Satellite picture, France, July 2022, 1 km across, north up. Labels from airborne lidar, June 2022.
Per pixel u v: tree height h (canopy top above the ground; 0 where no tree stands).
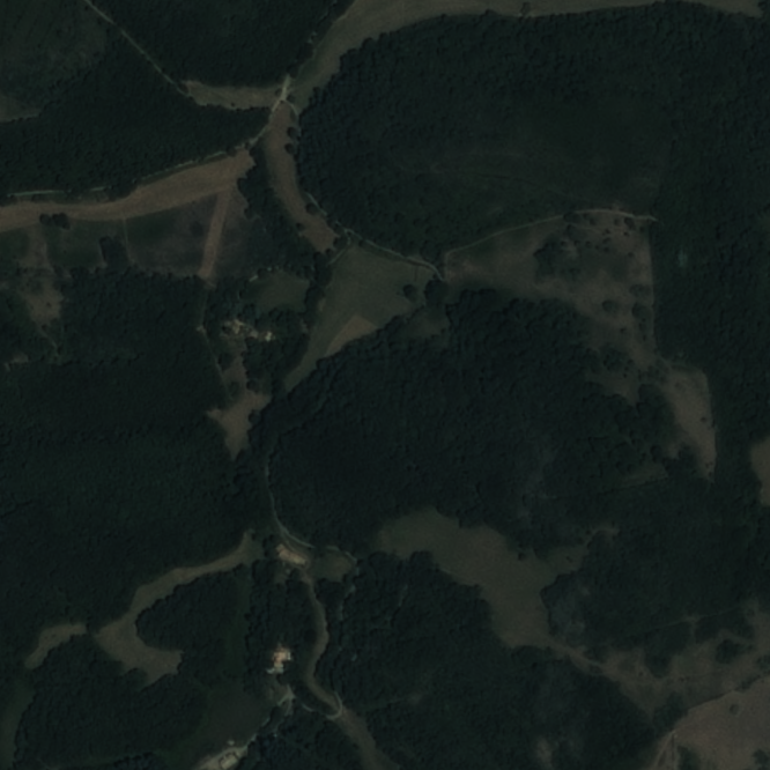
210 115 12
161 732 17
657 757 0
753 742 0
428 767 6
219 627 19
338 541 15
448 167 0
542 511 7
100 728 18
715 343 14
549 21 12
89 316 10
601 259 0
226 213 0
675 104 12
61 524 15
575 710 8
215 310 19
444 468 15
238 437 0
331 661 10
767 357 15
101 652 14
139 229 0
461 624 10
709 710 0
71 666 7
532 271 0
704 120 11
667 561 7
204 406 20
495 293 16
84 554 16
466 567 0
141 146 16
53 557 20
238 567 10
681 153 11
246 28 7
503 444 10
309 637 20
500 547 0
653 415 9
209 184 0
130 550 14
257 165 16
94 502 13
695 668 0
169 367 17
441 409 13
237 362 0
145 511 10
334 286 0
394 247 17
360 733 0
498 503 15
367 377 17
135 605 0
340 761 16
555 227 0
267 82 14
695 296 12
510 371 21
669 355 6
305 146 13
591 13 12
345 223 17
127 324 15
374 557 11
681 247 11
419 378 14
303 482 11
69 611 19
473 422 18
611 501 8
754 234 16
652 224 8
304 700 10
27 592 16
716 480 9
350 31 0
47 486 10
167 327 19
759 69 8
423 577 13
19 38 0
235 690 0
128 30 7
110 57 12
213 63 12
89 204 0
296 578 11
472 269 0
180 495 12
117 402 14
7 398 17
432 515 0
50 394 11
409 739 9
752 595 6
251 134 12
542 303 9
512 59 9
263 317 20
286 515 13
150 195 0
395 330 10
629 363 6
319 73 0
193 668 16
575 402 16
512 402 19
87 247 0
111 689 9
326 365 14
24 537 20
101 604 17
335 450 22
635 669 0
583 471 17
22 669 9
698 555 6
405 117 7
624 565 7
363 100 9
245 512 23
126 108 16
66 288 11
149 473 10
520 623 0
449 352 15
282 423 22
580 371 12
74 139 17
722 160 19
